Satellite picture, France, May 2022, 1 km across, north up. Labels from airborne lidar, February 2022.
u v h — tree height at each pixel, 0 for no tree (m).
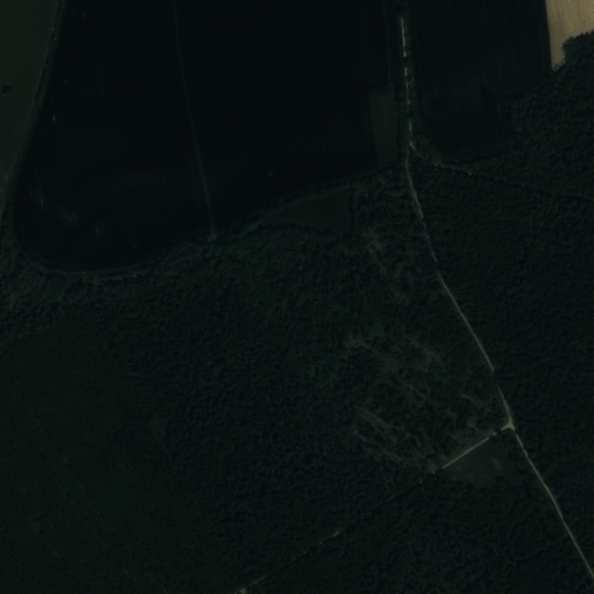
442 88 0
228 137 0
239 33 0
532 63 0
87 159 0
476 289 19
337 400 29
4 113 0
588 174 27
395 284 6
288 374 24
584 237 25
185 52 0
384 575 28
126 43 0
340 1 0
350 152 0
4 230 10
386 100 0
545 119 19
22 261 20
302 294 28
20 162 0
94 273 0
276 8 0
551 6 0
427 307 23
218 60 0
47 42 0
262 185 0
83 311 17
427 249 20
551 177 27
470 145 0
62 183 0
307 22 0
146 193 0
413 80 7
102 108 0
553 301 24
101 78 0
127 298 25
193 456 21
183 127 0
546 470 21
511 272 19
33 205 0
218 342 21
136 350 13
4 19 0
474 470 0
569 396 25
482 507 13
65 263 0
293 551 21
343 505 25
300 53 0
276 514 21
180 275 21
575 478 22
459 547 29
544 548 8
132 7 0
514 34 0
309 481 23
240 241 23
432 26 0
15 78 0
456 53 0
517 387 24
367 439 29
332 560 13
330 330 16
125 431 16
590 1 0
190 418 19
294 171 0
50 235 0
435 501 10
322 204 0
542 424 24
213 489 14
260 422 18
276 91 0
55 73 0
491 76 0
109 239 0
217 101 0
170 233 0
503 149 0
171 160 0
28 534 13
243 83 0
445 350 0
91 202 0
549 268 25
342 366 14
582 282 21
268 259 27
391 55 0
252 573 22
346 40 0
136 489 9
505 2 0
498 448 29
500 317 21
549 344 23
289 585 14
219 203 0
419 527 14
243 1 0
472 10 0
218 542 8
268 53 0
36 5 0
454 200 20
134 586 10
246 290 25
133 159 0
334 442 29
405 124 13
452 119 0
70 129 0
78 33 0
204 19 0
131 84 0
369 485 24
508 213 21
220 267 25
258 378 19
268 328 21
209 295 12
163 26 0
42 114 0
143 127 0
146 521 11
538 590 14
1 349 19
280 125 0
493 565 18
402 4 11
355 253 25
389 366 0
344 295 23
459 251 24
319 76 0
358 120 0
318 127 0
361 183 6
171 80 0
